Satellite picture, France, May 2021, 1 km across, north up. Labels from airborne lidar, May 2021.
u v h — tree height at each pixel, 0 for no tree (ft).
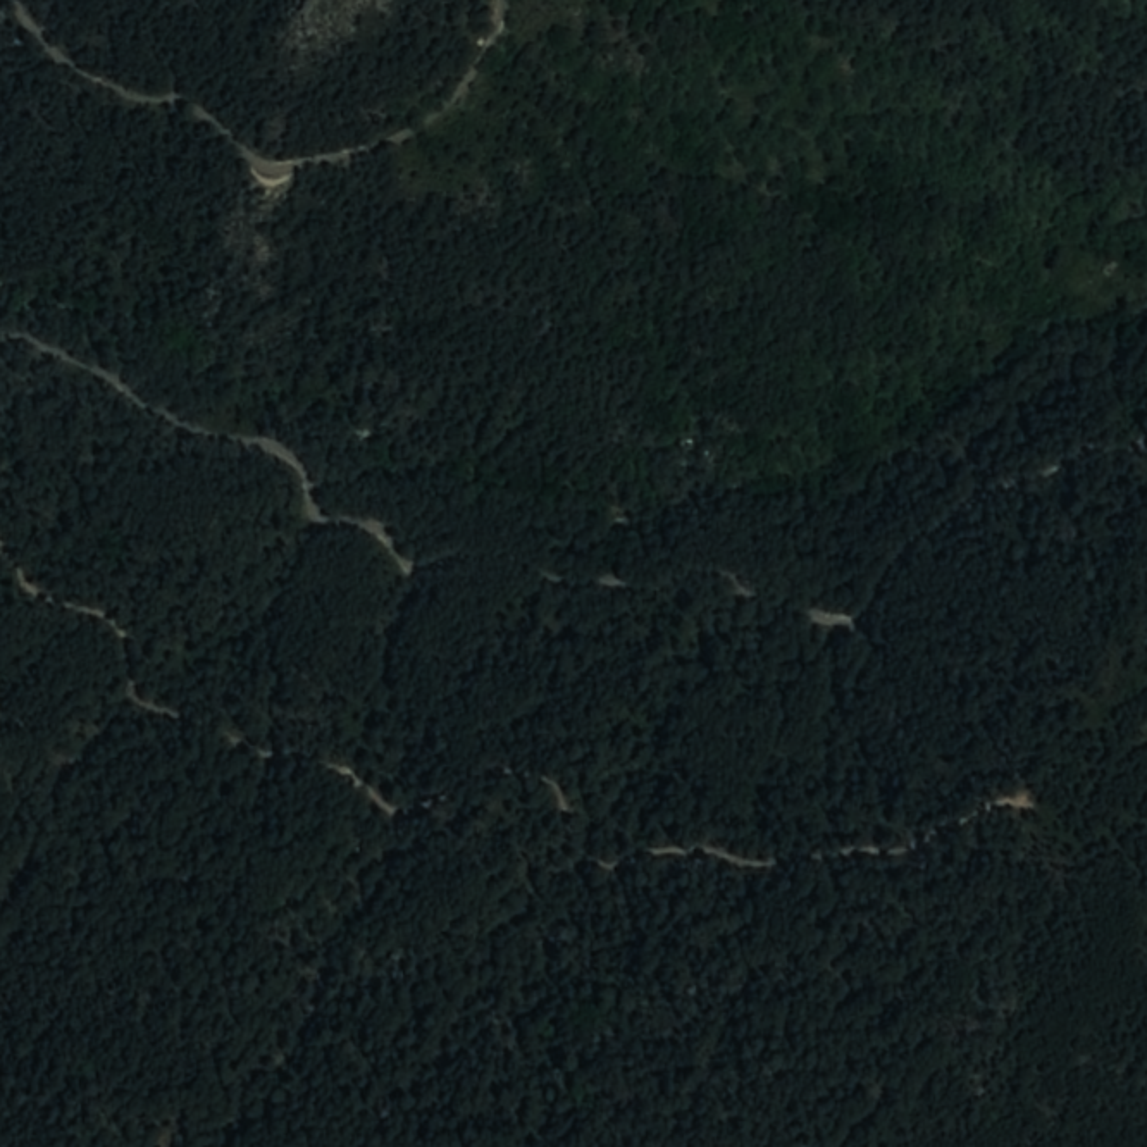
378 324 40
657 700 127
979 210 68
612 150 52
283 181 0
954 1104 52
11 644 117
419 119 56
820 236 69
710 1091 67
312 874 90
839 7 59
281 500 107
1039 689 100
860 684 94
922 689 93
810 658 100
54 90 72
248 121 49
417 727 73
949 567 83
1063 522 74
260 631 106
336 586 77
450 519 117
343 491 114
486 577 105
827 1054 92
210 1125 102
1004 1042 47
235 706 101
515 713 80
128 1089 56
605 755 84
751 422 73
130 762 77
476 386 38
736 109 70
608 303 61
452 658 73
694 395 43
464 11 73
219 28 57
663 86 47
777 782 90
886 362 53
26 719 72
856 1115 95
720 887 83
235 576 108
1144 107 65
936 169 61
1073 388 95
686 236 31
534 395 57
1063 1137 62
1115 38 63
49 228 73
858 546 107
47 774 93
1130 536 70
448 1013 79
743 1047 89
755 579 104
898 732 102
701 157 41
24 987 65
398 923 98
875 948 83
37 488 96
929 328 52
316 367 88
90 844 94
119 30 55
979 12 73
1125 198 64
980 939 77
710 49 58
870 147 75
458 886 97
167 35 52
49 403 93
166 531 95
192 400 114
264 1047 114
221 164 75
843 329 62
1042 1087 64
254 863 103
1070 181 73
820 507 99
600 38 57
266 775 58
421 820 79
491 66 38
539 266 48
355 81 51
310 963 131
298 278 40
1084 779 49
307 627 94
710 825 93
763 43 56
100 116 38
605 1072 89
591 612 110
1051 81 83
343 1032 85
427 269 55
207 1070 100
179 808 101
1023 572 69
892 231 47
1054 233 58
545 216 35
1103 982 56
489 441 96
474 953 86
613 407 73
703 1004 55
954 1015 33
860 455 49
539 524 126
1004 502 78
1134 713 57
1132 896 70
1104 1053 50
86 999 57
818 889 74
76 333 94
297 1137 79
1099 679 66
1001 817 74
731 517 116
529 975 82
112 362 98
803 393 62
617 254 64
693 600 93
